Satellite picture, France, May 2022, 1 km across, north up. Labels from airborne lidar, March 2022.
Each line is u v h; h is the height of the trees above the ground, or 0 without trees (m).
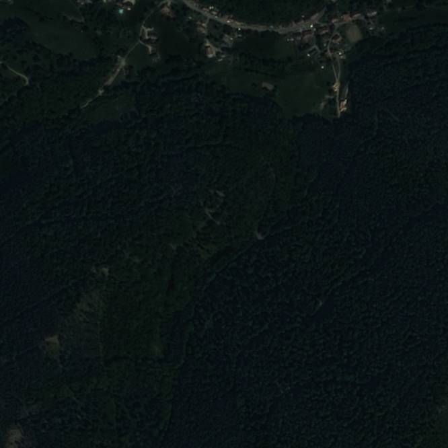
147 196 23
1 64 0
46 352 22
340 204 23
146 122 26
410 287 25
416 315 30
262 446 26
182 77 6
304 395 29
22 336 27
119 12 0
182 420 24
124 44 0
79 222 28
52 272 27
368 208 24
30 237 33
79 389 33
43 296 28
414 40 23
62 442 22
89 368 29
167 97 29
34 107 25
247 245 31
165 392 23
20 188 27
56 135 23
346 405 34
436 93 25
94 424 13
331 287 17
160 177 26
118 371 27
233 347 15
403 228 15
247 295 37
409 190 27
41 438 25
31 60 0
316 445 30
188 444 24
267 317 15
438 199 42
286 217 25
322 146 32
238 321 26
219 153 17
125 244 15
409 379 29
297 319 34
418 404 30
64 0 0
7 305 28
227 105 22
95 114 0
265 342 28
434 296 29
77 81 22
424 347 23
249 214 12
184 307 29
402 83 28
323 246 31
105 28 12
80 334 24
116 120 0
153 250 27
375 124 8
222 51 10
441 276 28
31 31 0
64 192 22
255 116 31
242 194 22
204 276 35
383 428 33
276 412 27
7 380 21
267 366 28
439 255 28
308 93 0
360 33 0
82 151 34
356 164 25
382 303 33
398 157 29
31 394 22
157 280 27
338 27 0
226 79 0
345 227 29
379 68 28
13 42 27
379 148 26
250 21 11
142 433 30
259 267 37
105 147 28
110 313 8
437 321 29
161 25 0
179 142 31
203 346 35
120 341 11
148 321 7
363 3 12
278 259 35
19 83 15
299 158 34
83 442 24
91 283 18
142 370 24
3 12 0
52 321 28
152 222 18
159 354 0
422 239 28
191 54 0
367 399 41
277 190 17
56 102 24
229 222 16
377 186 26
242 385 27
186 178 29
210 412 20
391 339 31
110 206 23
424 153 27
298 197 35
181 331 30
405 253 30
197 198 22
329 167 27
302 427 29
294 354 34
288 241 30
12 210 33
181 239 26
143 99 22
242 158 21
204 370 27
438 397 26
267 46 0
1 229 31
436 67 31
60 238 27
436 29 10
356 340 30
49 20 0
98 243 22
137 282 26
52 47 0
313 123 31
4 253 30
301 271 31
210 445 21
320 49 8
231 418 27
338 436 26
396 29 0
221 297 40
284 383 25
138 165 23
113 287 20
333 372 36
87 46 0
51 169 32
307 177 30
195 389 26
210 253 26
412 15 0
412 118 25
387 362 13
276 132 25
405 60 16
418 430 32
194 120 21
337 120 0
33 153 30
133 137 26
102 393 21
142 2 0
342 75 0
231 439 21
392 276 28
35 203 23
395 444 29
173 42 0
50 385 29
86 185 34
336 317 33
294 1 16
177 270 27
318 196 28
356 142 23
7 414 20
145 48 0
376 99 19
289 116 0
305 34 0
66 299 20
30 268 26
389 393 33
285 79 0
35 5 0
